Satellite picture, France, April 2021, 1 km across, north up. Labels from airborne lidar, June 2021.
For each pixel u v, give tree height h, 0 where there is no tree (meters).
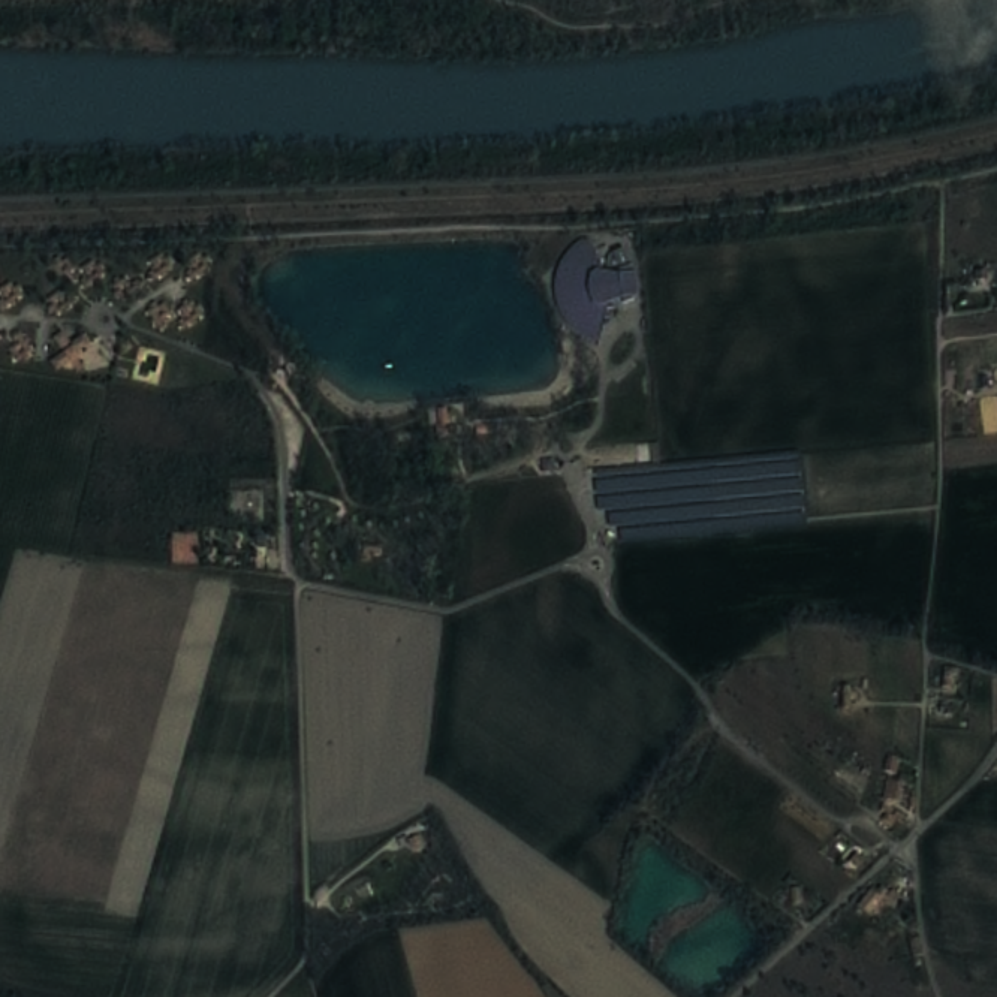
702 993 11
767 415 0
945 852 0
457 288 0
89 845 0
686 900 0
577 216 15
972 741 0
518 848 0
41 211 0
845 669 0
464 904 19
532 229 0
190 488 7
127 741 0
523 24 8
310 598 0
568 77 0
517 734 0
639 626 0
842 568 0
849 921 0
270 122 0
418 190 0
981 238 0
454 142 12
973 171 10
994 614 0
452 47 20
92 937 0
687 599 0
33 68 0
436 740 0
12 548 0
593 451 0
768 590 0
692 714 11
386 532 16
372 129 0
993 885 0
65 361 0
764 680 0
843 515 0
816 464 0
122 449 0
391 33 30
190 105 0
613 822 10
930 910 0
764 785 0
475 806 0
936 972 0
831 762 0
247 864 0
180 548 0
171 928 0
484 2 15
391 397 0
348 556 12
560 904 0
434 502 22
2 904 0
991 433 0
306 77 0
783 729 0
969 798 0
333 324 0
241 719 0
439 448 20
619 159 11
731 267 0
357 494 15
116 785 0
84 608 0
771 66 0
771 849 0
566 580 0
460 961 0
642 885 0
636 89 0
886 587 0
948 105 12
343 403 0
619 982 0
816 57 0
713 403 0
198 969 0
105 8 13
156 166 8
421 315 0
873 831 0
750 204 15
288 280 0
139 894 0
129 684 0
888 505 0
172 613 0
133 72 0
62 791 0
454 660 0
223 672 0
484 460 13
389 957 0
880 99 17
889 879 0
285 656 0
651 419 0
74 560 0
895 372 0
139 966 0
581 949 0
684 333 0
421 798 0
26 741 0
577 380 12
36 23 7
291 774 0
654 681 0
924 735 0
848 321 0
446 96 0
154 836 0
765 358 0
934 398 0
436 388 0
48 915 0
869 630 13
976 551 0
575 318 0
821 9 18
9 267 0
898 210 10
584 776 0
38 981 0
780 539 0
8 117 0
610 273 0
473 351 0
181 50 12
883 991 0
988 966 0
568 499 0
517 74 0
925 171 17
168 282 0
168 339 0
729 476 0
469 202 0
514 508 0
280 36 27
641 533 0
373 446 18
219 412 0
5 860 0
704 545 0
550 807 0
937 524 0
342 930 18
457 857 18
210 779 0
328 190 0
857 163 0
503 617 0
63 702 0
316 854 0
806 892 6
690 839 0
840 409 0
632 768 0
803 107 14
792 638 0
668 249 14
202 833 0
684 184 0
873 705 0
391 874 0
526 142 9
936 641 10
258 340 12
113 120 0
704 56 0
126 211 0
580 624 0
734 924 0
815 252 0
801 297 0
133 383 0
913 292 0
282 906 0
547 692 0
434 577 25
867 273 0
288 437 0
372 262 0
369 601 0
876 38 0
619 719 0
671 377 0
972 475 0
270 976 0
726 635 0
